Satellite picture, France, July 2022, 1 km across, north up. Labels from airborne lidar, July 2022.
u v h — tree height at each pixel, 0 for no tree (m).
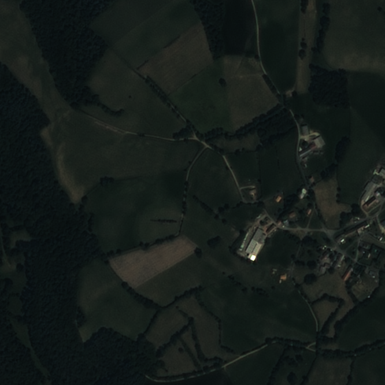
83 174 0
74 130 0
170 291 0
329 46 0
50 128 0
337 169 13
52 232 28
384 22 0
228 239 0
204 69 0
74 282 17
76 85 10
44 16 13
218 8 9
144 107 0
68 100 16
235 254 13
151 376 7
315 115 0
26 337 0
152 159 0
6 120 24
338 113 0
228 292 0
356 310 14
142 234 0
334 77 25
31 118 18
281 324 0
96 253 21
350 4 0
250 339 0
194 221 0
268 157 0
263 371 0
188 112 0
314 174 0
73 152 0
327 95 22
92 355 20
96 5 20
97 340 19
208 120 0
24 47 0
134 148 0
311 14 0
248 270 0
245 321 0
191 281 0
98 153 0
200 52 0
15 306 0
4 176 24
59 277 20
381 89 0
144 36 0
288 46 0
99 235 0
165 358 0
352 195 0
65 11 26
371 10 0
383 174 0
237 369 0
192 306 0
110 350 17
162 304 0
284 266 0
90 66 11
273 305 0
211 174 0
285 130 10
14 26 0
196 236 0
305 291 0
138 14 0
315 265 18
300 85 0
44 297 20
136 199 0
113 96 0
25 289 0
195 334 8
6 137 25
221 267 0
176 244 0
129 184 0
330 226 0
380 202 0
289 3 0
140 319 0
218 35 14
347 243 0
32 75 0
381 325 0
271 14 0
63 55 21
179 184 0
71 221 25
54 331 15
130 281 0
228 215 0
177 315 0
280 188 0
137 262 0
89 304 0
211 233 0
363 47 0
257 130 10
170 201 0
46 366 22
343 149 20
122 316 0
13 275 0
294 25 0
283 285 0
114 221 0
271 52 0
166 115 0
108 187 17
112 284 0
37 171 20
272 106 0
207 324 0
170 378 7
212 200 0
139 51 0
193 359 7
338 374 0
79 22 10
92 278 0
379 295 0
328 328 12
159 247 0
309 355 0
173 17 0
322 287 0
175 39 0
